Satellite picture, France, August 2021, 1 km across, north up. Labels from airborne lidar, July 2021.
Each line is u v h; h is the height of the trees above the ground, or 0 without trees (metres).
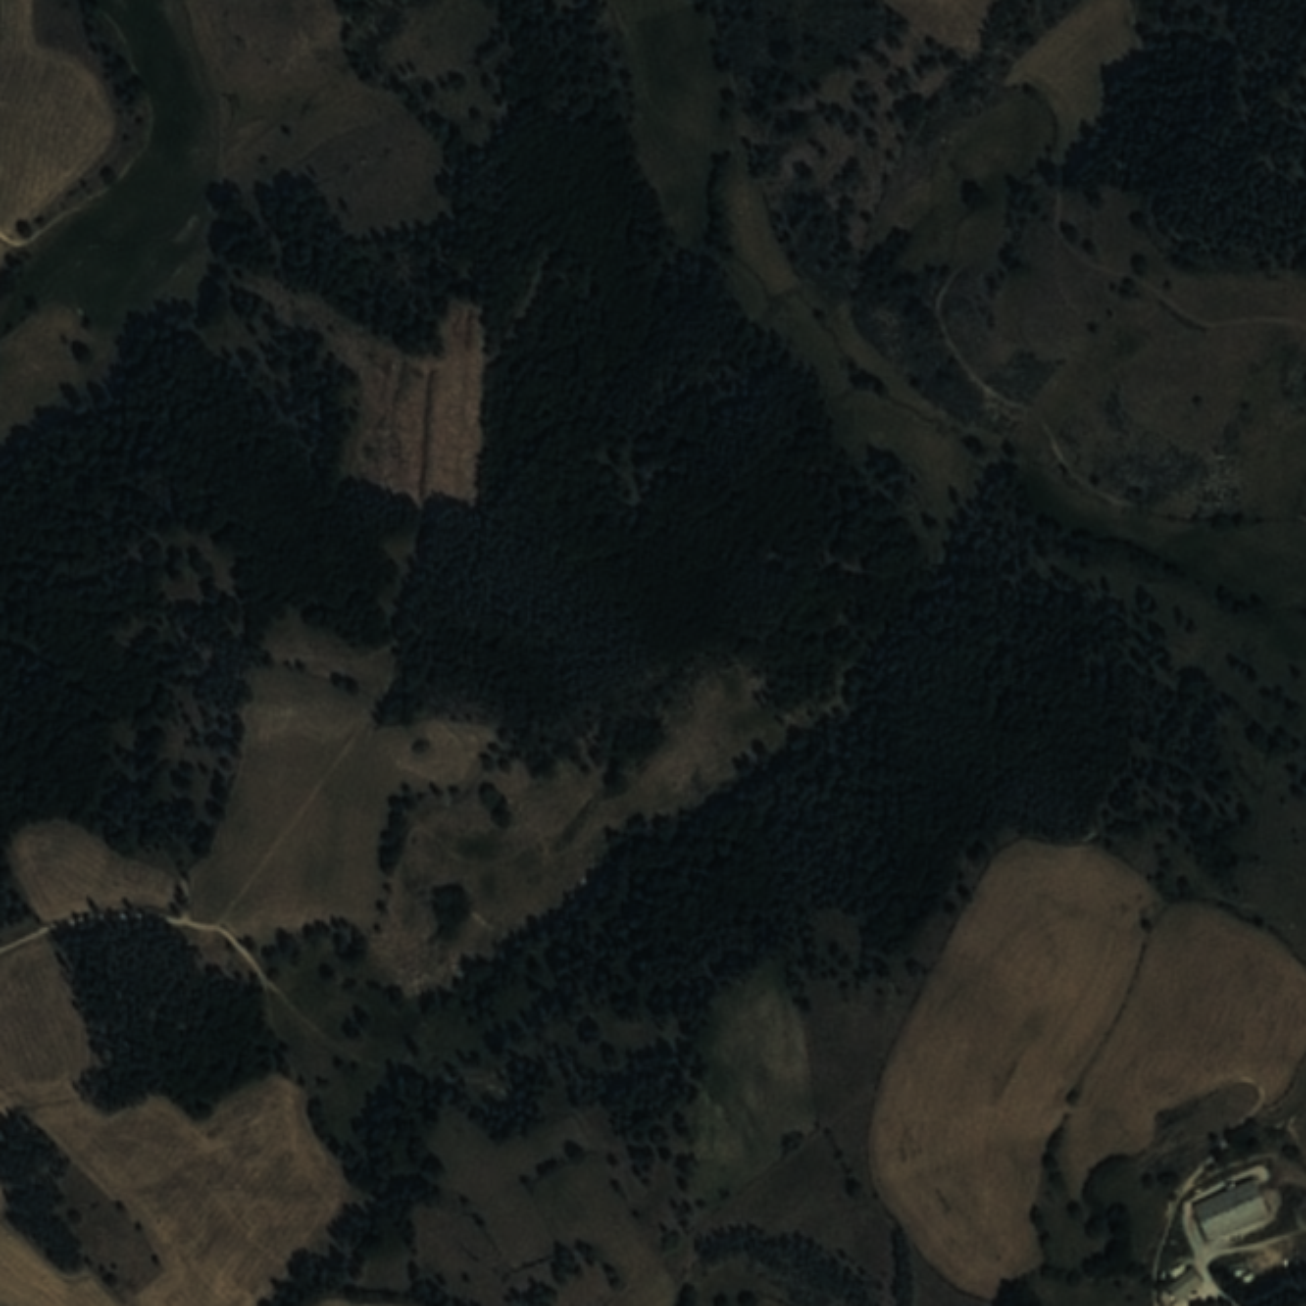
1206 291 0
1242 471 0
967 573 17
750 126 0
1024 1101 0
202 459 18
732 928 16
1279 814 0
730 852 17
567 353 9
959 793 20
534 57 12
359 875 0
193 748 7
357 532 18
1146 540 0
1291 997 0
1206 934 0
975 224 0
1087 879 0
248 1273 0
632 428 17
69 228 0
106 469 13
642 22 0
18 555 12
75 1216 8
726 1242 12
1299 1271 12
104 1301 0
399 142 0
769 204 0
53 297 0
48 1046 0
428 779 0
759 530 12
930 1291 0
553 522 21
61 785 13
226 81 0
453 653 8
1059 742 12
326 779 0
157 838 13
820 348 0
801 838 17
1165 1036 0
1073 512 0
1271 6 15
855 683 18
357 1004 0
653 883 17
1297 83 11
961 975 0
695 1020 15
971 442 11
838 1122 0
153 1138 0
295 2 0
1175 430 0
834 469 9
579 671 18
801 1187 0
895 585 17
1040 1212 9
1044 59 0
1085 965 0
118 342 0
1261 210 16
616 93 11
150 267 0
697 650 11
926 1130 0
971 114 0
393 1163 18
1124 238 0
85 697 16
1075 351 0
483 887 0
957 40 0
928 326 12
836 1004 0
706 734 0
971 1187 0
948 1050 0
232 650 16
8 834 11
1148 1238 0
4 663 15
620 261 16
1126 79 21
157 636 10
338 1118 0
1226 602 13
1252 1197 0
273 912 0
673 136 0
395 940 0
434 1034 0
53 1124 0
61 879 0
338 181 0
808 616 20
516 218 14
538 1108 20
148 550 8
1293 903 0
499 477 8
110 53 14
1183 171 15
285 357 10
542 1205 0
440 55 0
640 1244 0
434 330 14
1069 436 0
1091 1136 0
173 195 0
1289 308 0
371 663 0
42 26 0
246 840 0
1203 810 11
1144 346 0
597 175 18
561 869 0
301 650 0
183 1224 0
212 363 16
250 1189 0
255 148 0
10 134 0
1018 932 0
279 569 18
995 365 0
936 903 13
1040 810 15
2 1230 0
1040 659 15
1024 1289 11
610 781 12
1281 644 0
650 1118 17
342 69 0
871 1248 0
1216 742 16
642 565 16
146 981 13
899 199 0
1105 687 14
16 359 0
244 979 13
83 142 0
